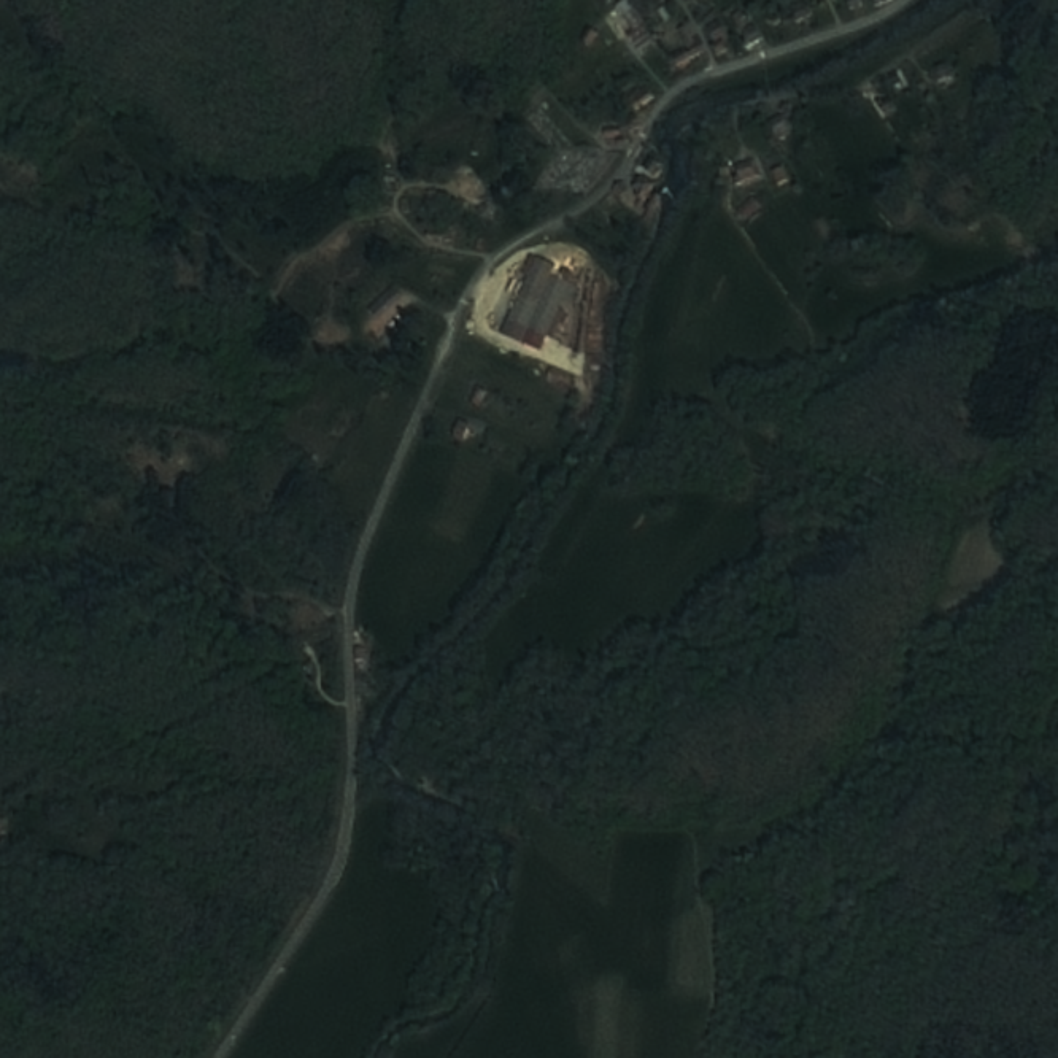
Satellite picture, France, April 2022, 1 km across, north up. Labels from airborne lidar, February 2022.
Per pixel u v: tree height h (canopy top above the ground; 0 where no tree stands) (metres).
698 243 0
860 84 0
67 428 12
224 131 24
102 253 24
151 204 12
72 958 11
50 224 23
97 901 20
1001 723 25
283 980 0
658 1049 0
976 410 9
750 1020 20
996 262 0
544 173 0
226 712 18
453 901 12
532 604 0
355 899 0
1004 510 9
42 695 20
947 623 18
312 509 10
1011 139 21
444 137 0
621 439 0
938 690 23
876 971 19
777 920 20
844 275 0
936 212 26
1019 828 7
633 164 0
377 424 0
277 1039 0
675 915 0
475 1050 0
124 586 20
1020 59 25
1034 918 15
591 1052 0
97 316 22
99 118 23
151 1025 21
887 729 9
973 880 25
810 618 26
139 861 17
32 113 20
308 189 9
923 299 8
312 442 0
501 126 8
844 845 19
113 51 19
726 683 22
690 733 20
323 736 19
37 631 17
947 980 19
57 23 24
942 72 0
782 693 24
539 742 21
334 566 19
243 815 15
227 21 28
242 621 13
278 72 20
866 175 0
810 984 22
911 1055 23
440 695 27
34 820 0
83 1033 17
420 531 0
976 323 20
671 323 0
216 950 20
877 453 22
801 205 0
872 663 23
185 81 25
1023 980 20
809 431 20
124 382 19
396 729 13
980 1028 16
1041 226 21
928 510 23
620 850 0
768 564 21
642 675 23
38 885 21
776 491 8
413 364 22
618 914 0
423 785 9
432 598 0
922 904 19
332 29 15
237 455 8
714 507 0
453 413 0
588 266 0
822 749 20
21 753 15
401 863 22
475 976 12
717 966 9
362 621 0
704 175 13
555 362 0
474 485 0
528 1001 0
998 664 22
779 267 0
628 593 0
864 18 0
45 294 26
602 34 0
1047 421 21
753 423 20
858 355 14
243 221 24
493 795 24
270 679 18
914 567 21
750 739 24
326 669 15
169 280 17
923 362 20
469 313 0
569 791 22
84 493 27
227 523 11
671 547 0
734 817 19
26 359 10
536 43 18
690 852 0
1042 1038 17
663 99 0
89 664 19
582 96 0
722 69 0
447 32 21
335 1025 0
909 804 7
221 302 23
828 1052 20
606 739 21
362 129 27
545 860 0
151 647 23
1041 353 20
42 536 29
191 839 11
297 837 16
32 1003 20
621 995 0
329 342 0
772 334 0
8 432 20
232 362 20
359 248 0
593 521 0
